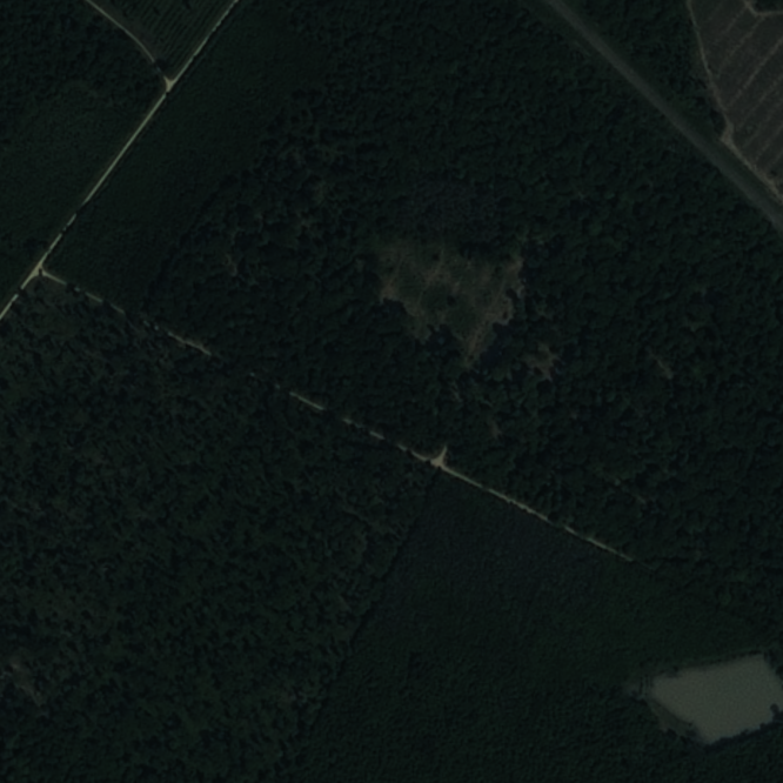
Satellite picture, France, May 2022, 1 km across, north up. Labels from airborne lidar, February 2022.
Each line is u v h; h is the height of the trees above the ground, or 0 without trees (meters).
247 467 25
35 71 21
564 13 0
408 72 23
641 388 32
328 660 26
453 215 33
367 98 22
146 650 23
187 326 21
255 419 25
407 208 31
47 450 27
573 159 25
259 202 27
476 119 13
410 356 28
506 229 30
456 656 16
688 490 32
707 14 0
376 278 29
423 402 22
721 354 27
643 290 15
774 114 0
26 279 0
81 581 28
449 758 14
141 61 23
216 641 21
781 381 26
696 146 0
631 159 24
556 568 16
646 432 29
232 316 26
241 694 24
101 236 7
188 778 23
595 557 17
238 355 26
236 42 11
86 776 27
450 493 17
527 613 14
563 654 14
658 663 19
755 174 0
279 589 25
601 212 29
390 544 19
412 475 23
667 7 23
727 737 0
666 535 27
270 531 27
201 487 25
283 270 28
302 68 12
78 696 22
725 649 14
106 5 0
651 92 0
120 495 25
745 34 0
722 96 0
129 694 24
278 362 22
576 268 30
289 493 27
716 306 30
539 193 31
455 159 24
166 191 10
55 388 28
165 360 27
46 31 23
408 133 23
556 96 21
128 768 24
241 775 24
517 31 26
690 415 25
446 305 0
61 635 26
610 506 24
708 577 24
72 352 25
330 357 24
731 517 29
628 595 14
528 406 33
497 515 18
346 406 25
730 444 10
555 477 26
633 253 25
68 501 0
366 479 26
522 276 0
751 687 0
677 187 27
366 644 16
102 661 24
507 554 16
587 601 15
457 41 21
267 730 25
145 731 28
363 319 26
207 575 24
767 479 28
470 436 25
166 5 0
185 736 28
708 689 0
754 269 17
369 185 26
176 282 25
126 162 9
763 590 27
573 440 32
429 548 18
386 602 16
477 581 16
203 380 26
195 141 10
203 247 25
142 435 24
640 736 19
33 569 26
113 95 19
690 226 24
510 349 29
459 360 29
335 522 25
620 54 0
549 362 0
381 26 24
